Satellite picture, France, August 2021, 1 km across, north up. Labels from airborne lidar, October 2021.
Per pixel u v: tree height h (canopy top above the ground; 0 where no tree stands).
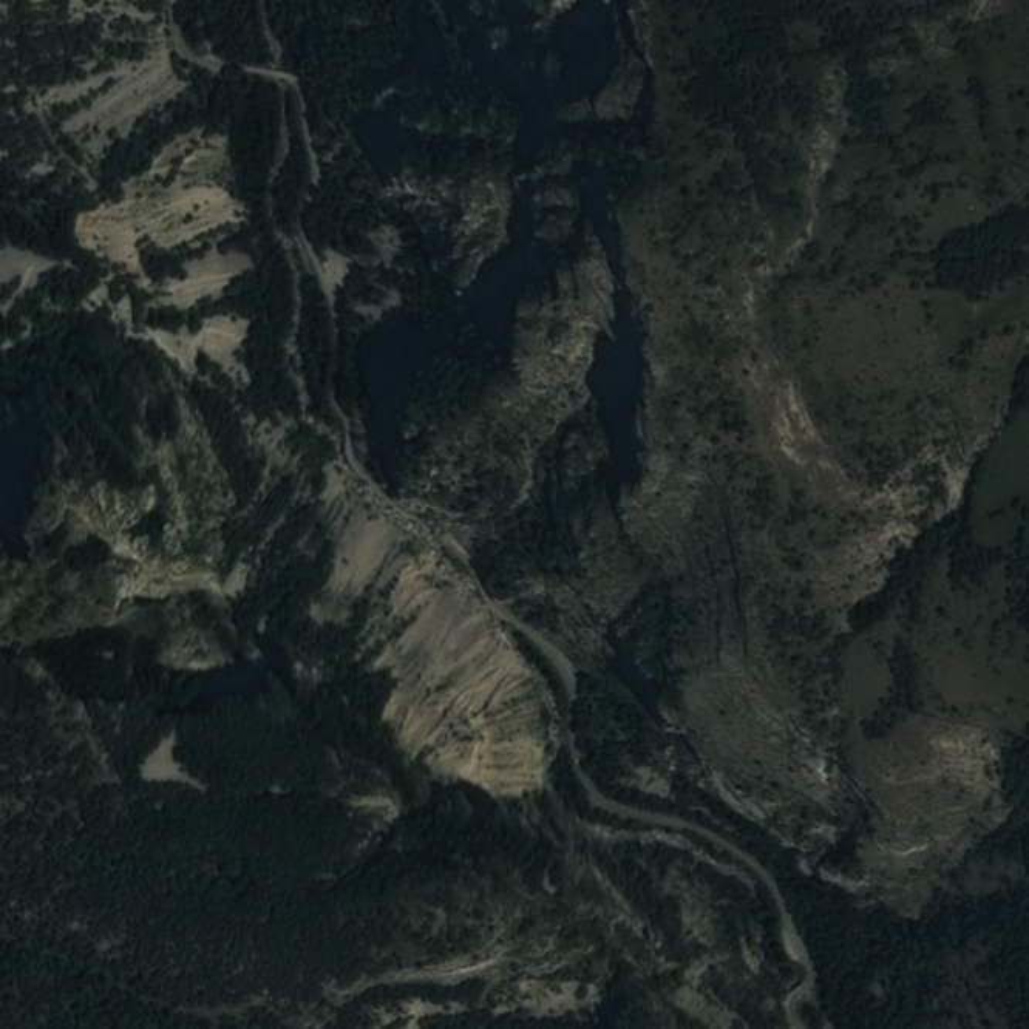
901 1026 15
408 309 7
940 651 0
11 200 15
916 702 6
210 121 11
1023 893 13
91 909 13
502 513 7
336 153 8
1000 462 0
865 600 6
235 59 17
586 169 8
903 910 11
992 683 0
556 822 7
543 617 9
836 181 8
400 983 8
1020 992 11
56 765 13
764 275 0
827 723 8
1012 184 0
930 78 0
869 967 17
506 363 6
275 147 10
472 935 6
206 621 7
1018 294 0
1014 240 9
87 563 14
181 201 0
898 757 0
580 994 7
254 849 12
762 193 8
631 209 0
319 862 13
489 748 0
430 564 0
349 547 0
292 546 8
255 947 8
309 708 12
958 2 7
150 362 8
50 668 16
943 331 0
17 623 8
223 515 6
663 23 0
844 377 0
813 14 13
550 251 20
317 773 10
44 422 13
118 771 9
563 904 10
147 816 16
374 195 21
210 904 14
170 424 6
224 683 8
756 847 9
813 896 9
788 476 0
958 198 0
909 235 7
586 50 6
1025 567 9
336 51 9
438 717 0
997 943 9
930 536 16
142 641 12
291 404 8
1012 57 0
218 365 7
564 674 0
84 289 9
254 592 8
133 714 9
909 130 6
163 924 6
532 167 7
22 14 13
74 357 13
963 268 14
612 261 0
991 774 9
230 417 13
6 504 0
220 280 0
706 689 0
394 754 9
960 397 0
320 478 8
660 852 14
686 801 8
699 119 6
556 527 8
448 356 8
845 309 0
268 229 12
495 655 0
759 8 13
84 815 12
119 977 11
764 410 0
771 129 7
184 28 8
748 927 6
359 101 10
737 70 17
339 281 0
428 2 8
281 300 13
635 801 14
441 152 7
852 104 7
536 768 0
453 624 0
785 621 10
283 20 9
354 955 11
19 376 14
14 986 11
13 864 10
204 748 14
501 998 6
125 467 9
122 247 0
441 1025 16
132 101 0
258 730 15
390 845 9
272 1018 11
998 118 0
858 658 0
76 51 9
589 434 7
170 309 10
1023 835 7
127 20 15
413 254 6
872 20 6
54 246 17
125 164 17
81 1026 10
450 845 12
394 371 6
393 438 9
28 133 10
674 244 7
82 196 7
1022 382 13
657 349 0
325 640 6
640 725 10
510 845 10
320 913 10
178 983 11
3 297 7
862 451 7
